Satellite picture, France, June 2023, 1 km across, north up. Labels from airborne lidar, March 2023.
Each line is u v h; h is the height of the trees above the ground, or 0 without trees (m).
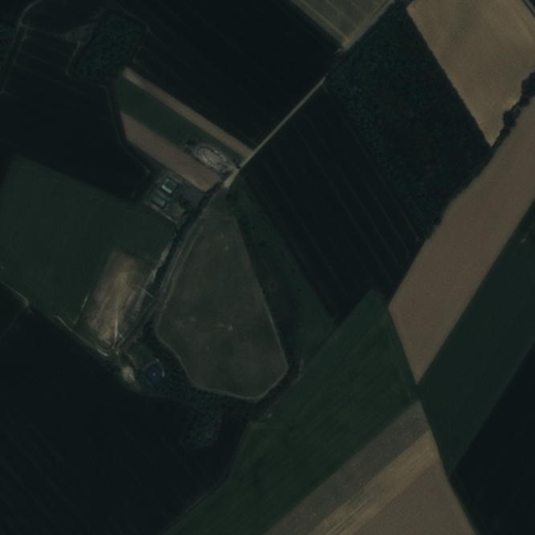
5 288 0
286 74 0
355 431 0
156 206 0
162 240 0
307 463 0
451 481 0
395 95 19
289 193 0
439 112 18
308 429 0
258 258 0
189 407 0
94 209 0
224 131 0
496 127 0
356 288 0
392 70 19
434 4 0
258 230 0
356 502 0
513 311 0
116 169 0
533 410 0
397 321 0
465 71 0
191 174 0
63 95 0
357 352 0
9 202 0
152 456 0
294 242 0
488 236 0
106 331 0
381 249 0
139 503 0
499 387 0
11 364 0
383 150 15
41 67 0
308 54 0
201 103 0
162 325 0
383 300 0
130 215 0
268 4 0
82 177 0
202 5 0
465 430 0
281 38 0
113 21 20
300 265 0
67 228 0
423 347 0
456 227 0
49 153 0
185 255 0
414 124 18
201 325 0
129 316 0
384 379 0
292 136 0
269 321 0
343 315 0
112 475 0
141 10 0
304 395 0
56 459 0
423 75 16
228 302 0
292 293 0
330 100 0
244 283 0
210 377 0
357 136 0
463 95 0
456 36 0
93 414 0
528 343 0
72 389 0
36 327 0
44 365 0
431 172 18
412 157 18
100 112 0
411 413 0
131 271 0
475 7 0
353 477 0
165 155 0
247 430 0
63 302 0
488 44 0
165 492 0
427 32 0
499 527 0
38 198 0
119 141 0
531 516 0
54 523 0
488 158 8
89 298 0
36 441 0
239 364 0
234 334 0
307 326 0
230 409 16
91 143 0
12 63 0
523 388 0
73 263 0
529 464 0
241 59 0
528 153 0
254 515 0
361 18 0
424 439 0
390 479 0
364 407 0
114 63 22
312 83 0
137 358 0
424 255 0
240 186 0
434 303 0
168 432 0
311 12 0
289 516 0
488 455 0
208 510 0
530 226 0
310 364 0
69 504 0
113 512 0
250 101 0
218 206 0
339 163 0
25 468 0
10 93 0
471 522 0
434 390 0
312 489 0
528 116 0
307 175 0
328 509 0
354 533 0
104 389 0
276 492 0
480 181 0
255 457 0
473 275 0
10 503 0
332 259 0
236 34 0
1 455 0
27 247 0
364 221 0
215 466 0
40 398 0
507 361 0
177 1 0
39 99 0
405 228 0
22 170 0
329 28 0
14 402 0
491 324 0
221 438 0
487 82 0
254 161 0
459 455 0
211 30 0
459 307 0
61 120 0
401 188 18
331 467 0
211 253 0
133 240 0
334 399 0
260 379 0
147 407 0
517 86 0
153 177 0
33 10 0
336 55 0
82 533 0
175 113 0
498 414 0
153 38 0
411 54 17
